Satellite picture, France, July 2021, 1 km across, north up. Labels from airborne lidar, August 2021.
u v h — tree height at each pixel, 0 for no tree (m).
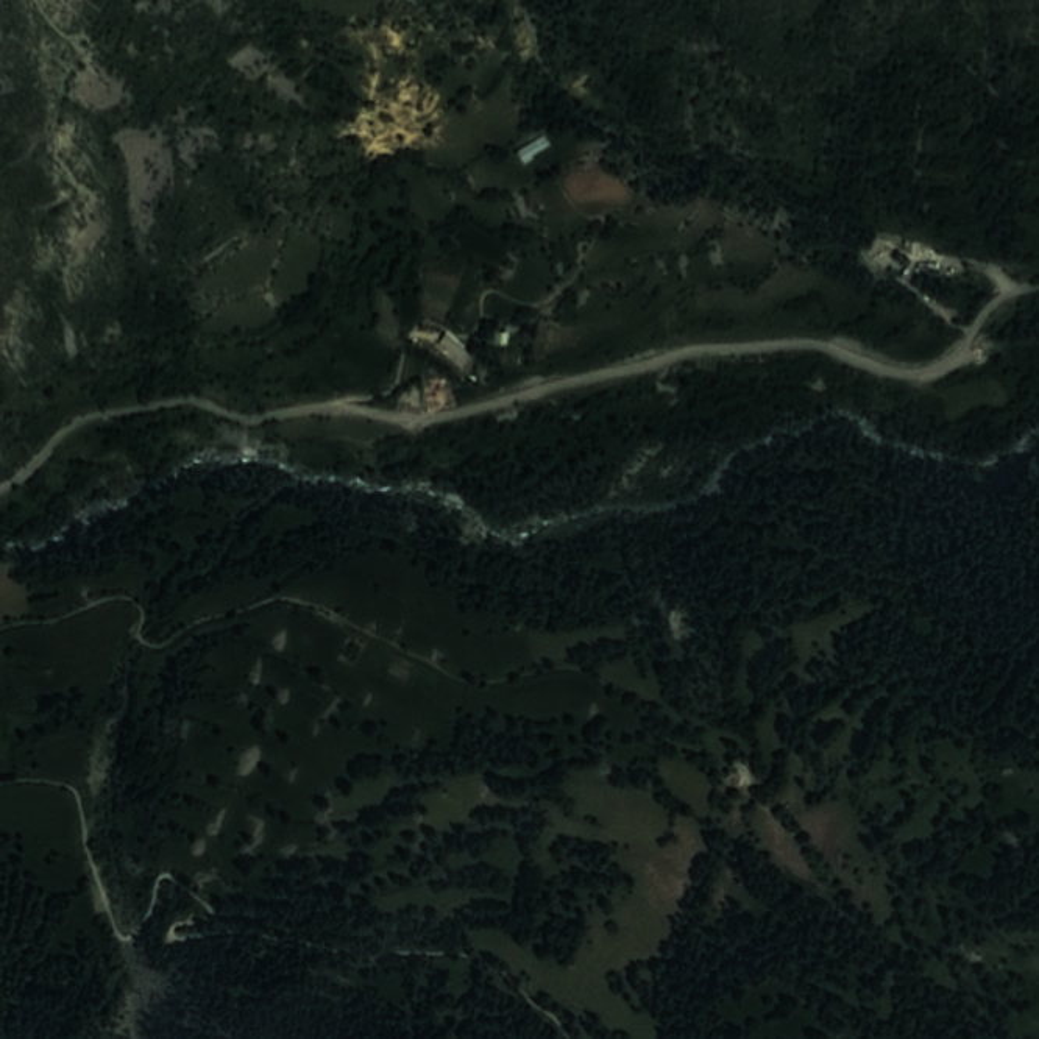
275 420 11
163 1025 9
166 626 7
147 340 8
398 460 7
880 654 16
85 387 8
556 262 6
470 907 7
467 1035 18
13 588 0
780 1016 11
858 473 10
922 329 0
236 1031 16
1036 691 23
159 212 6
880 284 6
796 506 15
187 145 0
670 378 9
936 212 8
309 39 8
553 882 12
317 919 23
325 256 6
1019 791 0
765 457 14
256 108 8
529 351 10
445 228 10
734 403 8
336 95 12
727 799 7
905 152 6
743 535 15
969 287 8
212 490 10
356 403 0
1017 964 0
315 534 15
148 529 11
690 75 7
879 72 8
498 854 0
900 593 8
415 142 0
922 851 18
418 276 8
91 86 0
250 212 15
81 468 14
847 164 10
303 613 6
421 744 0
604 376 0
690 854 0
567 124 13
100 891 0
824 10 14
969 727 12
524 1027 25
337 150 6
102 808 9
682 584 10
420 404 0
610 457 6
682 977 20
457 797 0
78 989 12
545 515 12
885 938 11
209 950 14
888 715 11
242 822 0
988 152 10
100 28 8
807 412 11
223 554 7
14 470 7
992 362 7
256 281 0
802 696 20
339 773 0
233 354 0
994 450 18
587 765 12
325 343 0
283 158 7
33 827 0
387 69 0
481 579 14
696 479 9
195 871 0
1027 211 11
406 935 16
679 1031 20
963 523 13
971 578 7
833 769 6
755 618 9
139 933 7
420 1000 10
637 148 8
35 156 5
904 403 7
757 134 8
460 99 9
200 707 0
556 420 9
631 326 0
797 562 9
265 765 12
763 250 0
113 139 7
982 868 0
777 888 13
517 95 7
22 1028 10
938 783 6
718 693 8
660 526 13
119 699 13
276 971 18
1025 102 12
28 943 9
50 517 9
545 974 0
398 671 0
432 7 9
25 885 10
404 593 0
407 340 9
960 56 6
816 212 14
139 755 25
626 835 0
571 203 0
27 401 0
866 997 12
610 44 10
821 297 8
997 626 21
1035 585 23
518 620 8
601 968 0
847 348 0
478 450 8
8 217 0
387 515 7
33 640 0
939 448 11
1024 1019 0
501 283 9
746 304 0
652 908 0
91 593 7
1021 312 10
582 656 19
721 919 7
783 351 7
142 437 12
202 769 0
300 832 0
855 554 15
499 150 14
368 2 0
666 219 0
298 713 0
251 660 0
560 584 8
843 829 0
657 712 17
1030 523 19
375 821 27
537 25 8
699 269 0
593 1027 28
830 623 0
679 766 0
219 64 6
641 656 12
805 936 12
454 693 0
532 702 0
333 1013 21
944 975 0
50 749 0
